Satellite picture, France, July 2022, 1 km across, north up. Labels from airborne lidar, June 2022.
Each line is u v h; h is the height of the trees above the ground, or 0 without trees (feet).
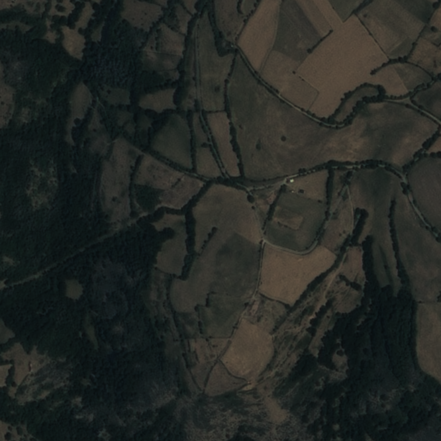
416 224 0
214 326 0
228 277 0
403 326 24
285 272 0
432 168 0
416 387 23
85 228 53
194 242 39
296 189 0
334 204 0
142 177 0
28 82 33
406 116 0
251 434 0
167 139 0
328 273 30
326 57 0
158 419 36
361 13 0
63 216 68
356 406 40
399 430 53
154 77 45
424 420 55
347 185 30
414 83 0
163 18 29
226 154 0
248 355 0
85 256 67
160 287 0
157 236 80
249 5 0
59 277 67
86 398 62
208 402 0
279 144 0
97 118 0
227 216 0
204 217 0
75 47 0
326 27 0
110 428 24
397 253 24
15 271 31
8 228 34
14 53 31
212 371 0
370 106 0
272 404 0
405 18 0
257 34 0
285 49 0
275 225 0
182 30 0
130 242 80
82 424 51
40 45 68
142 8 0
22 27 0
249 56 0
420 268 0
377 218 0
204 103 0
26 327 67
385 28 0
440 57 0
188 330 0
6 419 43
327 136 0
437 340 0
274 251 0
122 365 63
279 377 0
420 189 0
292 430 0
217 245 0
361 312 66
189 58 0
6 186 35
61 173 60
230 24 0
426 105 0
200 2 43
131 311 50
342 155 0
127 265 29
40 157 37
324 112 0
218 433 0
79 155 42
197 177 22
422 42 0
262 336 0
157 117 61
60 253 61
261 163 0
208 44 0
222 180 43
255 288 0
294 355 0
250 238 0
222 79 0
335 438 55
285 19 0
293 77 0
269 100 0
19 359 0
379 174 0
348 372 41
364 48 0
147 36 29
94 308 45
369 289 73
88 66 31
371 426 49
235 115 0
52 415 48
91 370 37
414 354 36
